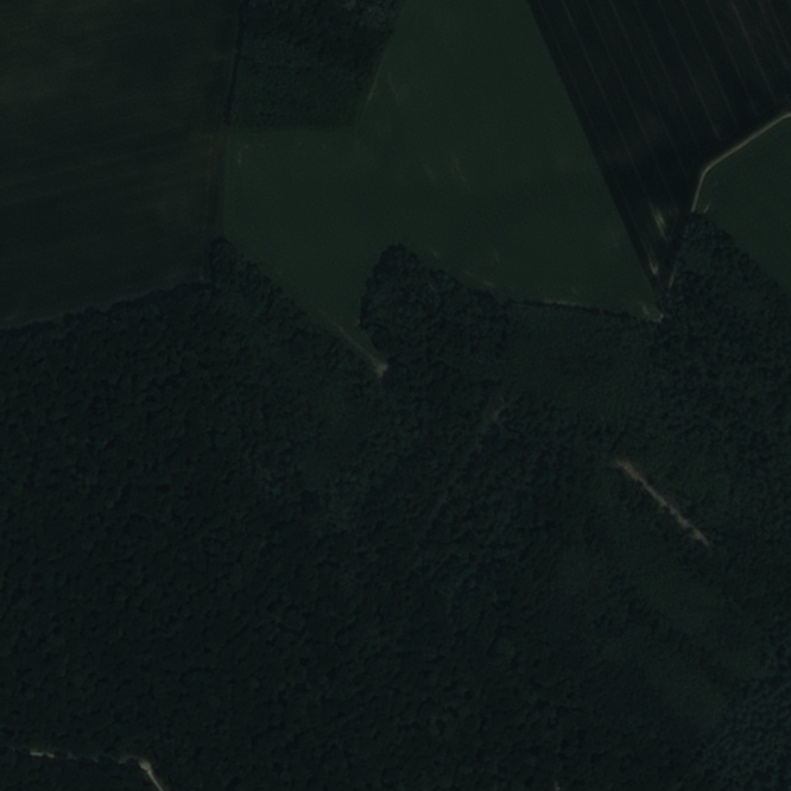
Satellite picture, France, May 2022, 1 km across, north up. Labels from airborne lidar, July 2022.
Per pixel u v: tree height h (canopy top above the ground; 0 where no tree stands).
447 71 0
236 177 0
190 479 30
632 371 25
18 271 0
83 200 0
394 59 0
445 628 30
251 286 27
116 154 0
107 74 0
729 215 0
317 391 24
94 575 27
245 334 17
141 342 32
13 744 30
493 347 14
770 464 34
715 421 30
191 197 0
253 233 0
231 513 23
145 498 28
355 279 0
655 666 23
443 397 29
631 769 28
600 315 20
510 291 0
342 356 27
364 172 0
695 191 0
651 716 22
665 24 0
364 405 27
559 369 22
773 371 16
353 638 28
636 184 0
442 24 0
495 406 10
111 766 27
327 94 20
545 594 19
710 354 28
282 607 29
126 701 30
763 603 23
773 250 0
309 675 29
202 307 25
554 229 0
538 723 29
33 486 28
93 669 32
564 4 0
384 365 0
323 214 0
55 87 0
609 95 0
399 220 0
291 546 29
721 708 23
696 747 21
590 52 0
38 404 33
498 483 18
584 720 28
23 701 31
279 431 0
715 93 0
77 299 0
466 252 0
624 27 0
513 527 27
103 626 27
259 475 31
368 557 28
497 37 0
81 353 32
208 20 0
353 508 19
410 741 26
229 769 29
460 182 0
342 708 28
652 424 24
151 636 30
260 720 29
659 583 21
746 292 28
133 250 0
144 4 0
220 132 0
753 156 0
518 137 0
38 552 29
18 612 31
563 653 22
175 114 0
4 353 29
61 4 0
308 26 29
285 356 23
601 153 0
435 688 27
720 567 24
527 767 28
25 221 0
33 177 0
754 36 0
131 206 0
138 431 29
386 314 25
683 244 18
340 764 30
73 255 0
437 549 26
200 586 29
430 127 0
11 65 0
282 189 0
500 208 0
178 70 0
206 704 30
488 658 30
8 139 0
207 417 29
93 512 32
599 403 27
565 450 32
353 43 30
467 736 30
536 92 0
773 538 22
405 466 36
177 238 0
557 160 0
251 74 16
